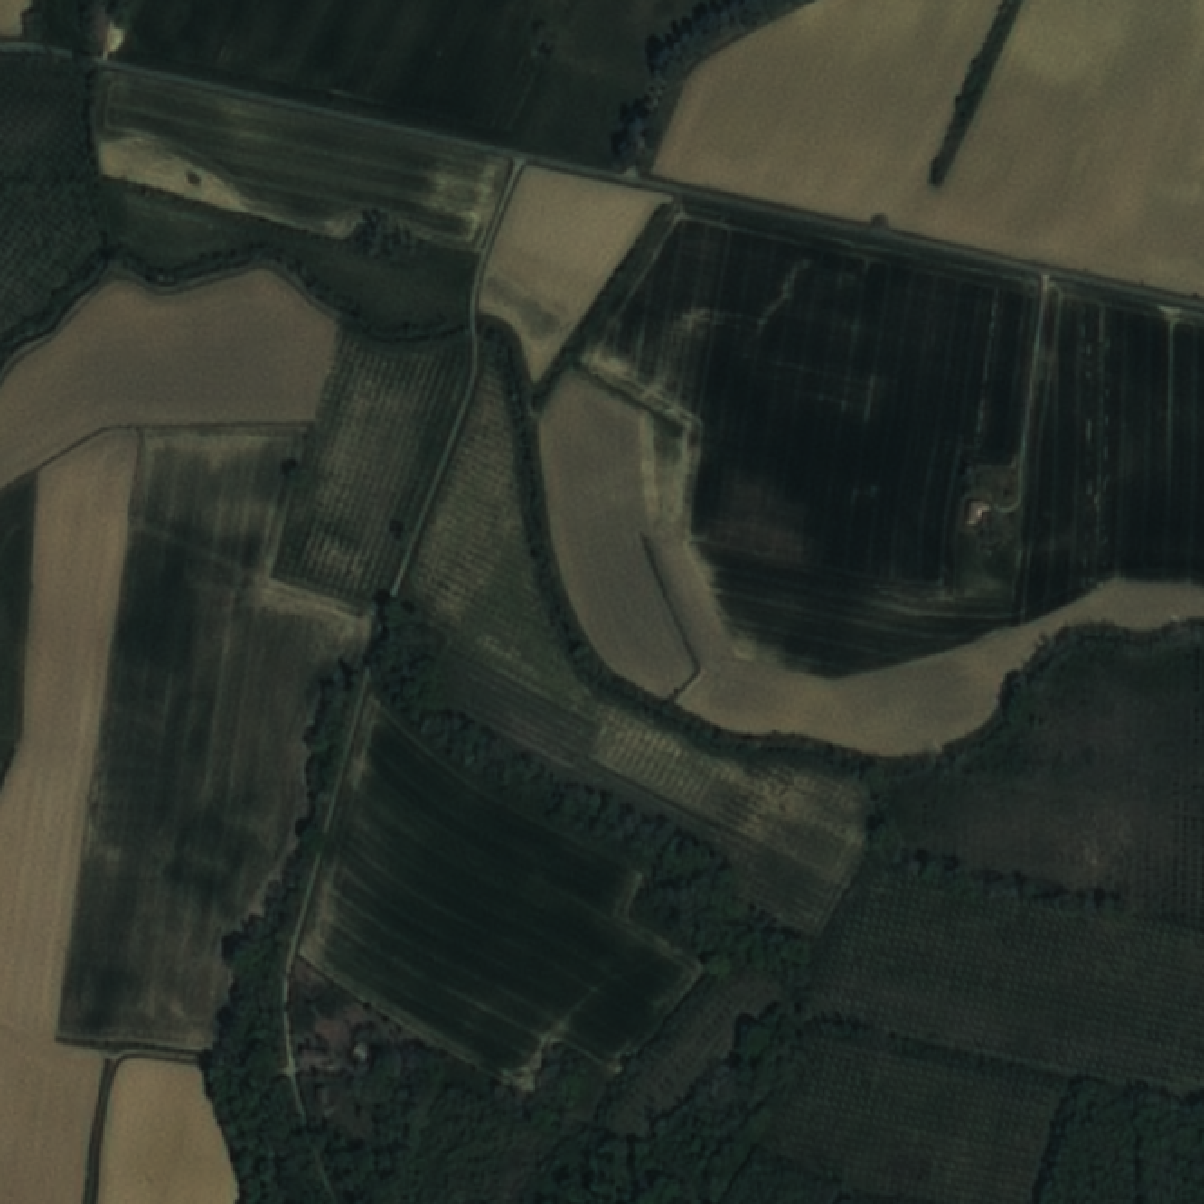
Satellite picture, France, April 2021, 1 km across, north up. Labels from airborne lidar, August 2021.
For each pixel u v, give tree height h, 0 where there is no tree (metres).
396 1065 24
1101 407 0
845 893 6
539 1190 8
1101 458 0
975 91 6
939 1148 14
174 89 0
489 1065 0
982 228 0
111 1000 0
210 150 0
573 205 0
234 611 0
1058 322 0
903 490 0
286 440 0
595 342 0
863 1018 22
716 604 0
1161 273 0
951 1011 21
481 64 0
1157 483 0
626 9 0
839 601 0
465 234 0
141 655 0
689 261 0
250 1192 19
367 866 0
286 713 0
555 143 0
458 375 9
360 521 9
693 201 0
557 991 0
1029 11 0
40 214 18
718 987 18
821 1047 20
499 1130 8
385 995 0
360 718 0
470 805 0
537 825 0
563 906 0
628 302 0
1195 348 0
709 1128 15
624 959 0
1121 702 0
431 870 0
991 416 0
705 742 6
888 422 0
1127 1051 20
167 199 9
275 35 0
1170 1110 20
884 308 0
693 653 0
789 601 0
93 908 0
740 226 0
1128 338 0
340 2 0
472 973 0
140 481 0
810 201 0
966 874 17
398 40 0
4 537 0
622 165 19
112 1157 0
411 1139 19
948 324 0
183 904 0
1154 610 0
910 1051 8
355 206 0
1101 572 0
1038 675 9
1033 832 0
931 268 0
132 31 0
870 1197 6
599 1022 0
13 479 0
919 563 0
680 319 0
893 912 23
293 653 0
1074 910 14
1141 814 0
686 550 0
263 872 0
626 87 0
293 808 0
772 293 0
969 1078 20
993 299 0
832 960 21
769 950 19
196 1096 0
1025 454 0
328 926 0
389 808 0
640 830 19
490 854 0
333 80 0
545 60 0
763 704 0
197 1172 0
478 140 0
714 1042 17
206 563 0
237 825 0
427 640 20
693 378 0
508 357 6
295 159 0
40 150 18
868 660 0
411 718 19
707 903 29
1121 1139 18
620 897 0
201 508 0
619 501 0
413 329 7
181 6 0
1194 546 0
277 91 0
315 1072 7
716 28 23
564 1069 14
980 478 9
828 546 0
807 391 0
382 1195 19
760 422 0
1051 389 0
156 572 0
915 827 0
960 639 0
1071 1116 8
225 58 0
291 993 7
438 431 8
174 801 0
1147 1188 22
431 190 0
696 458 0
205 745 0
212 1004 0
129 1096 0
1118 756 0
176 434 0
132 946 0
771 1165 9
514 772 18
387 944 0
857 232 0
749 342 0
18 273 20
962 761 8
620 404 0
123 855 0
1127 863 0
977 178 0
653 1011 0
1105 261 0
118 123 0
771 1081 23
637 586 0
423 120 0
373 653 9
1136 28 0
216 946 0
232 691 0
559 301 0
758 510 0
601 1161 9
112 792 0
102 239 16
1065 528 0
